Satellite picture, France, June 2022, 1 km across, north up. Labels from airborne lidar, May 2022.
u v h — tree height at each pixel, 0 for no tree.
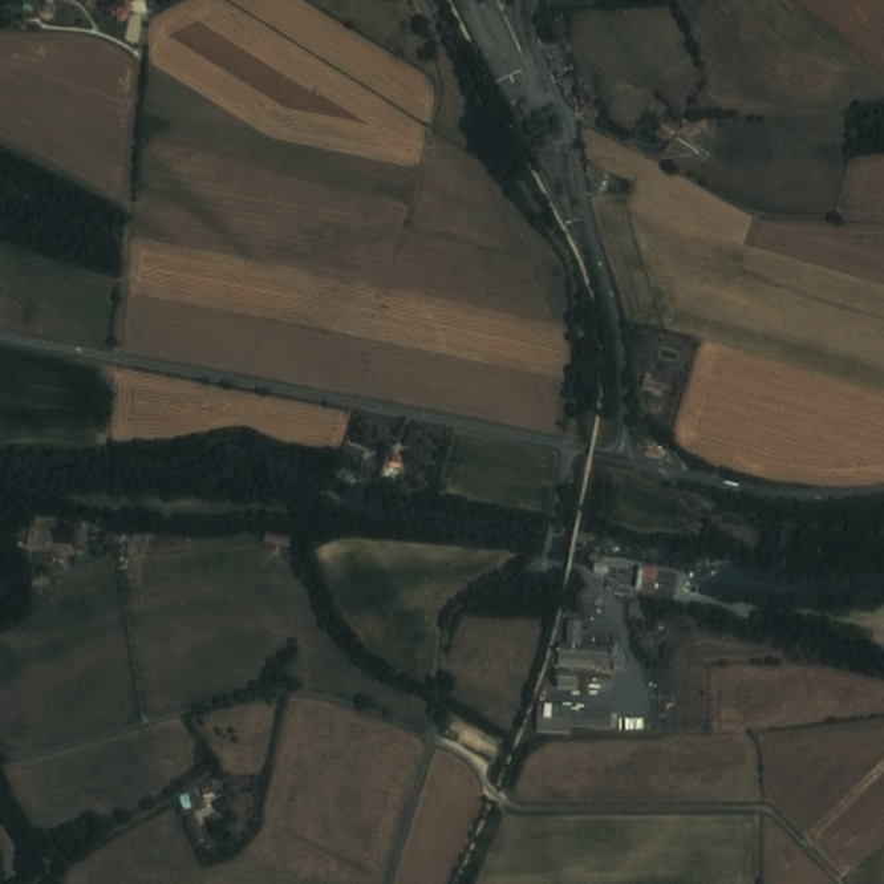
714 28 0
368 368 0
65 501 13
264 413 0
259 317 0
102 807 0
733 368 0
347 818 0
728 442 0
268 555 0
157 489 18
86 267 8
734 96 0
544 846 0
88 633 0
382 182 0
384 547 0
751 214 0
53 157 0
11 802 15
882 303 0
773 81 0
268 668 12
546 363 0
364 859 0
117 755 0
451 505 21
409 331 0
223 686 0
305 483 27
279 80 0
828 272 0
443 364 0
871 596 24
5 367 0
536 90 0
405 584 0
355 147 0
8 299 0
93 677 0
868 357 0
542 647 7
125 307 0
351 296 0
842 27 0
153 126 0
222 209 0
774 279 0
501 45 0
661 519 0
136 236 0
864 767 0
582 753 0
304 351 0
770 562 21
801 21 0
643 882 0
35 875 15
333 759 0
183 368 0
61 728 0
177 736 0
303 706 0
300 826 0
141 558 0
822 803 0
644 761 0
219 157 0
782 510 19
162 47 0
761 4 0
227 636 0
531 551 12
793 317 0
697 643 0
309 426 0
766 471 0
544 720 0
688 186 0
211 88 0
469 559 0
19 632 0
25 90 0
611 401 14
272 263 0
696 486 16
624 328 13
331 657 0
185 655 0
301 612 0
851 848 0
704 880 0
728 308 0
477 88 17
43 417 0
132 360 0
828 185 0
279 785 0
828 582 17
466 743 0
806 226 0
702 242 0
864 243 0
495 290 0
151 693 0
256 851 0
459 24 9
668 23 0
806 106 0
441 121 0
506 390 0
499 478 0
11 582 21
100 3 12
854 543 21
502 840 0
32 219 22
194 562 0
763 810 0
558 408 0
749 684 0
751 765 0
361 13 0
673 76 0
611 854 0
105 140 0
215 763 13
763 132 0
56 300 0
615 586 0
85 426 0
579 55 0
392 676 13
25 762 0
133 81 0
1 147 22
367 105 0
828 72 0
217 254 0
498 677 0
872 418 0
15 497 20
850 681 0
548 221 13
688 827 0
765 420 0
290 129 0
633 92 0
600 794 0
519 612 9
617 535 17
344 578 0
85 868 0
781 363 0
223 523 20
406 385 0
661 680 0
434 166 0
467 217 0
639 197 0
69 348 0
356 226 0
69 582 0
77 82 0
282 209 0
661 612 8
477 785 0
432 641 0
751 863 0
